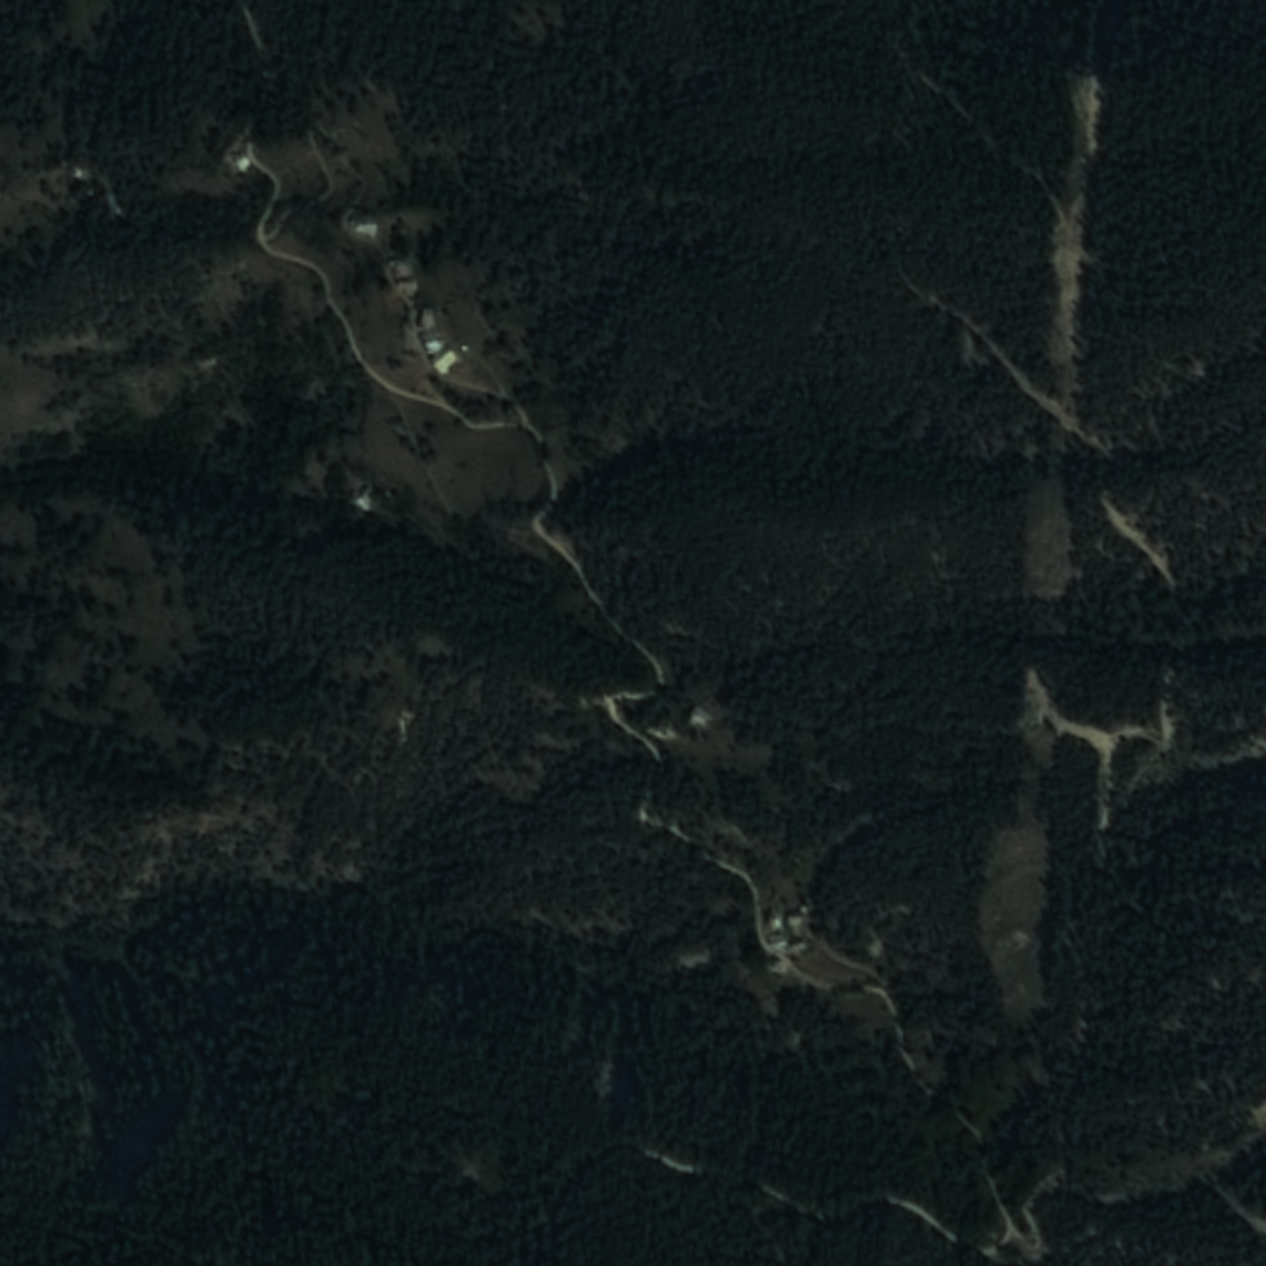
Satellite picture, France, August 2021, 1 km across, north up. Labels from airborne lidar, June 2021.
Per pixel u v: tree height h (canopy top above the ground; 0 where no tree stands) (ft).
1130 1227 42
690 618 50
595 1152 51
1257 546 61
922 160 56
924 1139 28
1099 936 55
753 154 53
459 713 33
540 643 68
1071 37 83
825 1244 56
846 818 40
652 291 60
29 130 26
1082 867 51
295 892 39
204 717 35
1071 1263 27
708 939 41
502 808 46
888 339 46
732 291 61
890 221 55
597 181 41
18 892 56
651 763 24
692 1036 68
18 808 50
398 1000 33
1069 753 24
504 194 33
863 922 45
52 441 28
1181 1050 74
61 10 60
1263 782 53
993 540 39
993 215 51
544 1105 56
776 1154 45
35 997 77
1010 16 52
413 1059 67
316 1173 86
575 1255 40
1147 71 43
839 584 33
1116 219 52
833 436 73
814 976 0
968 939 39
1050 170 57
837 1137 56
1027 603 54
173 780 55
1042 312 53
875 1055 43
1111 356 34
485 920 52
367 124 0
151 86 42
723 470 81
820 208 48
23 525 0
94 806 49
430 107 56
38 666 26
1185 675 53
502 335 24
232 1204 73
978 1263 60
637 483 75
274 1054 55
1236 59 60
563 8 24
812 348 49
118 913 30
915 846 49
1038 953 0
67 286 36
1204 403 44
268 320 19
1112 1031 63
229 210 30
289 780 41
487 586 80
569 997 46
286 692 68
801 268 51
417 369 0
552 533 26
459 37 51
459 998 77
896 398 48
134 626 0
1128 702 32
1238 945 52
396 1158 70
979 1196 35
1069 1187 21
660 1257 49
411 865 43
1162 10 62
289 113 48
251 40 23
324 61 21
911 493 60
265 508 40
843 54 61
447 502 0
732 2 43
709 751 0
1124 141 48
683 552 55
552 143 43
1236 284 54
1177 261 63
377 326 0
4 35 46
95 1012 52
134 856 35
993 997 65
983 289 58
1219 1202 55
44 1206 54
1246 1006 47
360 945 37
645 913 44
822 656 55
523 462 0
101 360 19
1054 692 57
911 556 36
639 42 49
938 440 52
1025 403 45
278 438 41
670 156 44
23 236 26
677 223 62
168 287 27
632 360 58
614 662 30
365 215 18
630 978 46
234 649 40
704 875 58
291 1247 75
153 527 57
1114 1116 46
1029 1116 35
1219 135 56
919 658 57
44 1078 28
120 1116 32
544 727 46
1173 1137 43
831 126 44
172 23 67
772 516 50
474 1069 54
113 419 33
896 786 28
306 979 69
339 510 25
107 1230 49
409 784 30
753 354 49
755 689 52
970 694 42
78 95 30
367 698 40
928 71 51
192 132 33
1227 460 42
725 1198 62
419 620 47
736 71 57
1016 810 52
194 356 22
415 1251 70
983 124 61
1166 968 71
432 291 0
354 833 47
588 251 52
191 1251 40
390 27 34
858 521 35
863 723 41
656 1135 67
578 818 42
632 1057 40
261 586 46
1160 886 71
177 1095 40
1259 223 53
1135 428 51
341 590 32
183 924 35
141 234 55
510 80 61
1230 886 28
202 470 27
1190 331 48
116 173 44
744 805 39
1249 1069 29
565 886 48
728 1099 40
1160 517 40
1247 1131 26
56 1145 59
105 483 26
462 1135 69
